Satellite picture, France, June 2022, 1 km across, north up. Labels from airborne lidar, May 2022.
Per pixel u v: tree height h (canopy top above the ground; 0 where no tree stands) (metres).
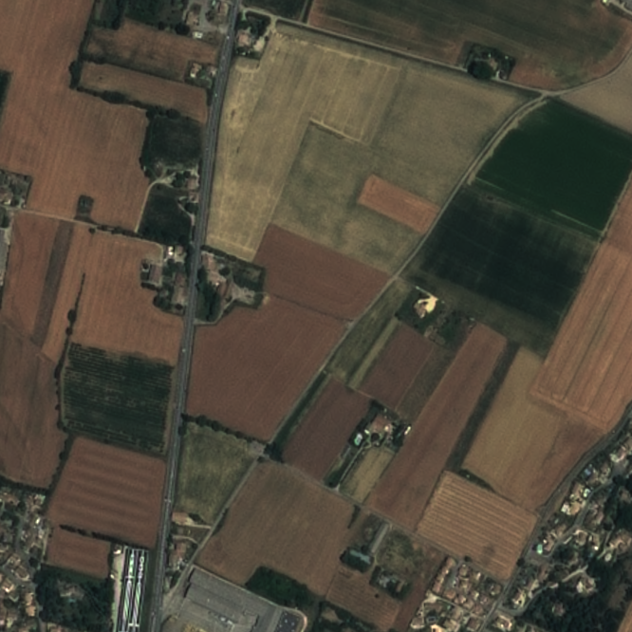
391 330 0
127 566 0
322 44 0
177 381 0
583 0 0
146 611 0
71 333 8
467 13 0
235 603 0
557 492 0
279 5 0
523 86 0
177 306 6
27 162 0
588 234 0
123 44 0
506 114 0
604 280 0
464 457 0
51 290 0
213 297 8
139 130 0
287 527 0
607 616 10
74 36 0
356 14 0
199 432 0
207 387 0
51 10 0
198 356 0
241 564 0
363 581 0
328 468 0
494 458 0
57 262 0
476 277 0
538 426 0
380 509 0
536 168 0
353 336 0
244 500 0
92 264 0
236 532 0
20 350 0
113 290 0
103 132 0
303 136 0
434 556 0
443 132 0
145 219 0
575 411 0
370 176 0
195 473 0
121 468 0
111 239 0
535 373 0
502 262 0
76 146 0
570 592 9
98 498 0
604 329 0
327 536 0
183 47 0
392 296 0
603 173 0
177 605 0
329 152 0
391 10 0
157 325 0
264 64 0
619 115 0
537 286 0
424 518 0
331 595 0
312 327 0
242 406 0
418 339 0
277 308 0
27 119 0
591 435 0
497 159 0
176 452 0
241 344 0
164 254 0
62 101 0
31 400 0
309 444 0
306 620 0
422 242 0
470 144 0
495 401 0
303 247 0
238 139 0
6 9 0
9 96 0
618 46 0
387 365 0
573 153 0
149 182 0
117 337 0
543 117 0
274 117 0
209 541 0
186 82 6
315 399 0
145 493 0
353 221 0
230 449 0
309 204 0
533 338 0
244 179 0
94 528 0
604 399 0
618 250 0
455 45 0
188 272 10
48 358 0
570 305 0
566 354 0
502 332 0
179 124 0
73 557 0
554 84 0
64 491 0
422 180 0
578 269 0
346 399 0
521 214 0
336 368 0
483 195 0
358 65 0
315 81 0
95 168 0
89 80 0
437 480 0
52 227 0
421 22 0
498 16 0
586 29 0
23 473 0
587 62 0
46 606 17
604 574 11
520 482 0
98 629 15
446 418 0
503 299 0
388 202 0
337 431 0
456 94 0
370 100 0
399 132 0
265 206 0
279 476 0
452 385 0
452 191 0
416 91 0
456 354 0
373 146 0
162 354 0
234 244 0
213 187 0
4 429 0
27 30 0
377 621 0
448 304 0
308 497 0
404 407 0
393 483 0
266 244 0
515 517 0
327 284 0
